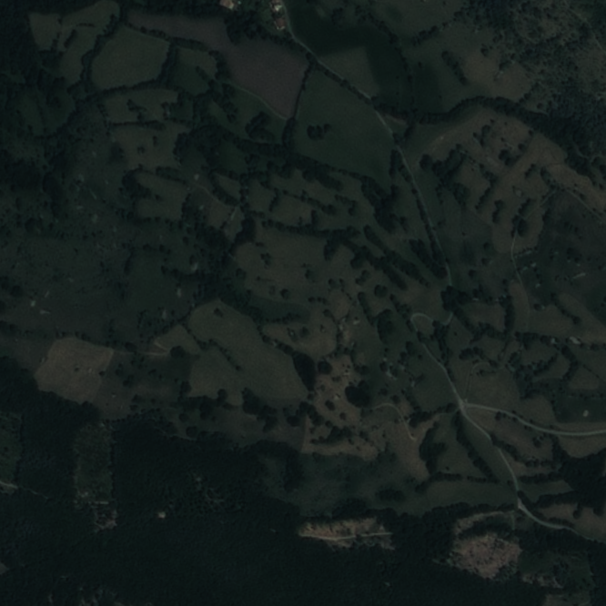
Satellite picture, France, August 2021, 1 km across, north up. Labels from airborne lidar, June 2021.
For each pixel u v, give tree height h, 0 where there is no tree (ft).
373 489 0
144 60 0
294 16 0
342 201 37
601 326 0
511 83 0
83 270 0
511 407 0
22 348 0
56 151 31
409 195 0
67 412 25
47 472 61
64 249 0
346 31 0
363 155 0
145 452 61
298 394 0
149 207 0
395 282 46
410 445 0
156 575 53
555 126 56
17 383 52
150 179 0
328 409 23
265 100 0
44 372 0
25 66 79
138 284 0
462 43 0
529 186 0
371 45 0
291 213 0
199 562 51
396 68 0
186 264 0
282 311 0
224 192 42
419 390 0
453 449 0
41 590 48
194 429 26
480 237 0
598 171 0
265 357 0
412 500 0
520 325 0
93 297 0
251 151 53
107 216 0
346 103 0
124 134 0
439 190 24
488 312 0
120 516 42
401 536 50
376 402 0
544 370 26
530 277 0
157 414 37
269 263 35
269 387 0
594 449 0
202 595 70
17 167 69
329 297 0
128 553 50
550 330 0
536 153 0
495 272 0
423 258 52
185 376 0
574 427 0
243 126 0
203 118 34
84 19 0
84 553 43
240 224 0
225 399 45
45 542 60
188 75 0
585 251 0
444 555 58
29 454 44
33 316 0
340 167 0
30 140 47
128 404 0
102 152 0
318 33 0
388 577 47
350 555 51
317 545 53
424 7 0
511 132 0
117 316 0
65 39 0
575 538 65
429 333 0
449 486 0
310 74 41
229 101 57
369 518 65
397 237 0
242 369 27
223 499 54
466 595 60
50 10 68
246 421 0
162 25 0
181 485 64
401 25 0
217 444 52
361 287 31
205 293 23
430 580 58
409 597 48
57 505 44
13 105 57
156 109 0
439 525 38
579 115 28
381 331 42
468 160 28
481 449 0
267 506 64
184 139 52
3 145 28
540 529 28
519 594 46
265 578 64
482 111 0
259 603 50
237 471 60
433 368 0
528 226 51
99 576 55
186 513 57
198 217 24
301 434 0
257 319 31
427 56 0
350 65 0
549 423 0
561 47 37
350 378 0
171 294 0
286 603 54
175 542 54
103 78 0
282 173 43
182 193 0
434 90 0
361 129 0
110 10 0
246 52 0
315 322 0
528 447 0
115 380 0
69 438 60
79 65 0
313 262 0
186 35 0
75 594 60
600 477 47
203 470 64
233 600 71
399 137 41
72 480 61
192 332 27
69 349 0
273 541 50
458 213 0
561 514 0
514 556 0
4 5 34
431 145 0
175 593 72
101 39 42
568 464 48
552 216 27
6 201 0
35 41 38
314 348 0
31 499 52
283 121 0
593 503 50
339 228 0
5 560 50
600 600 54
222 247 26
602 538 0
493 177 37
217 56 44
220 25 0
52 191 46
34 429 51
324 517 28
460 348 0
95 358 0
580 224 0
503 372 0
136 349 24
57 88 66
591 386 0
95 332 0
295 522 56
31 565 42
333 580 65
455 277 0
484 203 35
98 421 38
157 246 0
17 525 54
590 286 0
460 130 0
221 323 0
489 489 0
